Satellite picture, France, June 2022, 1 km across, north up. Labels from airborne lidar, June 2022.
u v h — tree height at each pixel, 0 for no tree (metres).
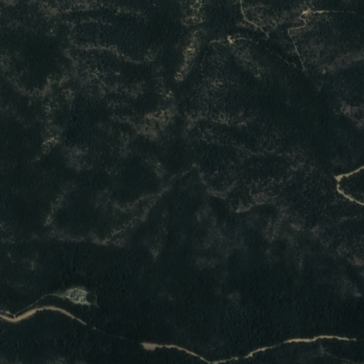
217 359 11
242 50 5
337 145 7
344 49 9
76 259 7
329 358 8
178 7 8
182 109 8
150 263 7
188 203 7
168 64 8
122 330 16
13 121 6
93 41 12
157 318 12
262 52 9
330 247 10
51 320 10
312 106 6
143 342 12
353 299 6
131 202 7
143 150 6
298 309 16
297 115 10
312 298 6
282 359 6
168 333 11
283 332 11
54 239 7
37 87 10
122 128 6
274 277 6
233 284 7
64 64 6
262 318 12
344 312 11
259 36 12
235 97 6
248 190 7
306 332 10
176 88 8
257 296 12
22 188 7
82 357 14
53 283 5
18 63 6
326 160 6
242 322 8
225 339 7
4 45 10
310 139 10
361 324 20
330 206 11
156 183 6
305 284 6
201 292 12
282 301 16
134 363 20
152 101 6
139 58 12
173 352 10
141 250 6
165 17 10
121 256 12
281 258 6
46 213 6
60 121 11
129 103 8
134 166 8
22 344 11
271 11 9
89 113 11
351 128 7
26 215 7
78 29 12
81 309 13
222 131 7
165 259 7
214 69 11
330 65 6
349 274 7
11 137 6
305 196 8
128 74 9
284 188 7
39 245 9
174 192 7
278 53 10
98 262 9
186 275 9
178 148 6
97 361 18
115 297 19
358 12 11
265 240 7
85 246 10
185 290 11
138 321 16
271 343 13
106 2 14
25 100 6
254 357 13
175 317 8
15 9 6
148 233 6
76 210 8
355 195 6
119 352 18
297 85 8
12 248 6
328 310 12
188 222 6
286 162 11
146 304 18
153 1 12
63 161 6
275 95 6
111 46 7
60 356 9
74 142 7
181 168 6
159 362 17
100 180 6
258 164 10
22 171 6
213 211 6
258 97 7
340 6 7
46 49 9
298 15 7
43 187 7
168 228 7
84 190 6
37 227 6
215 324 7
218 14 10
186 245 9
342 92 8
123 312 15
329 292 9
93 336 16
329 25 7
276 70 8
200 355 9
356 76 8
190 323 10
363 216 6
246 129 12
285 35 9
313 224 7
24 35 7
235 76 12
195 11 9
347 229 6
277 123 7
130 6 12
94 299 9
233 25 11
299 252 6
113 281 14
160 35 10
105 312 14
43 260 9
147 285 7
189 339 7
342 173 7
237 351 7
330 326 9
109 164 6
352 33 6
